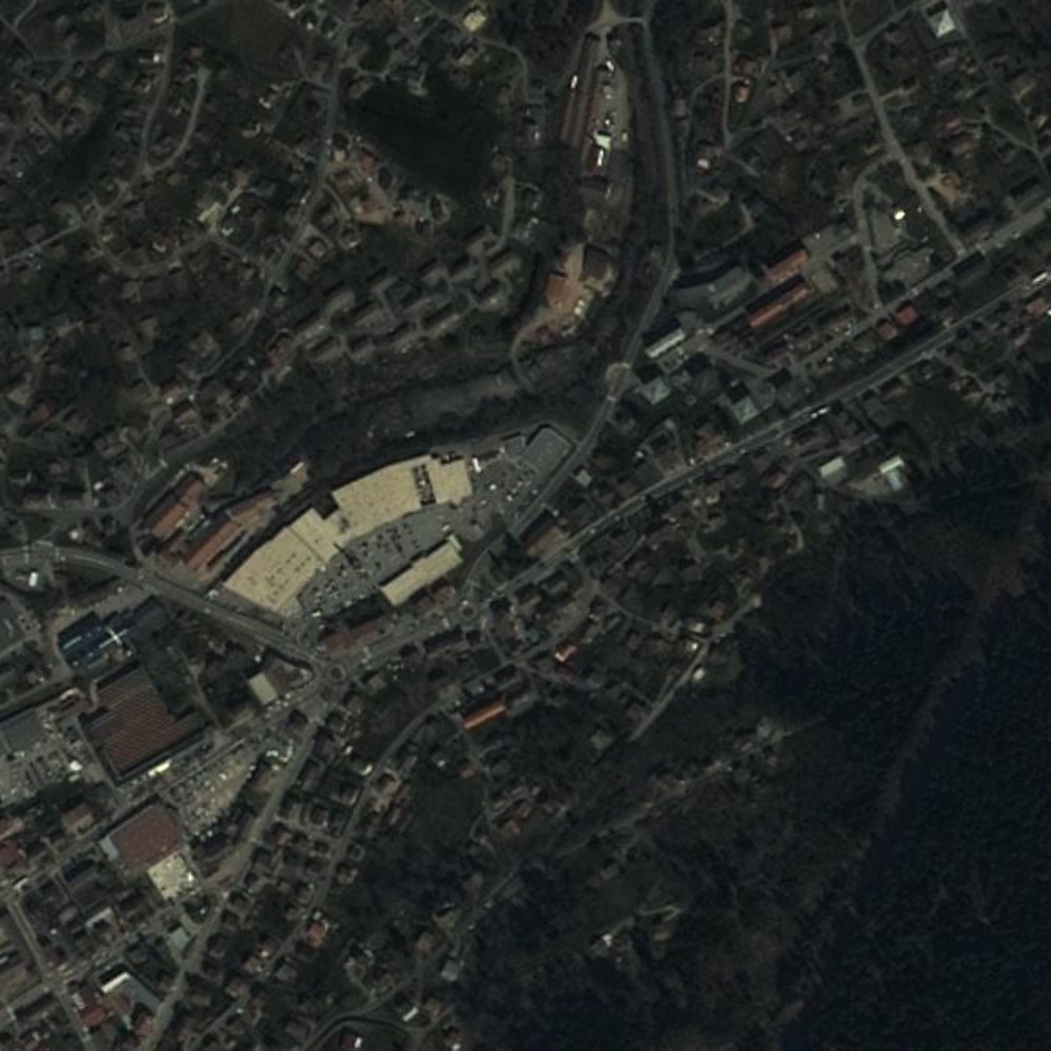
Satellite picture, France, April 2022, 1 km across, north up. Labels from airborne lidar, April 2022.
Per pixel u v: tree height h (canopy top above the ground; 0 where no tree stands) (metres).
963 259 0
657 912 0
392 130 0
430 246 0
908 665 31
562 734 9
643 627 0
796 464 0
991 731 29
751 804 12
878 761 26
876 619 28
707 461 0
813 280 0
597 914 0
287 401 9
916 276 0
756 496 0
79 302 11
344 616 7
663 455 0
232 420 0
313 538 0
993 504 33
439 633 0
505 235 0
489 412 14
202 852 0
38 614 9
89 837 0
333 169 0
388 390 8
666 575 0
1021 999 17
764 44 0
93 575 0
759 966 0
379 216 0
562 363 0
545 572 0
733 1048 0
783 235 16
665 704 0
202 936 0
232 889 0
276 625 0
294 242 0
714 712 15
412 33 0
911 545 7
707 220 0
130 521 0
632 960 0
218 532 0
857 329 0
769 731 0
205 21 0
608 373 0
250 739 0
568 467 0
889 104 0
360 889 0
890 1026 23
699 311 0
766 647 19
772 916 0
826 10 0
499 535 0
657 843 8
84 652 0
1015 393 0
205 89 0
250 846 0
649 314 0
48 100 13
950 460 0
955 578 6
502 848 0
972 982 7
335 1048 0
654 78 0
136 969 6
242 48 0
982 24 0
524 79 0
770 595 11
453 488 0
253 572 0
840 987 19
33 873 0
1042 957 13
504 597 0
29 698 0
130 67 9
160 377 0
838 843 10
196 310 0
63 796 0
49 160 0
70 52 0
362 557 0
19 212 0
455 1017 0
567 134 0
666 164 0
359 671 0
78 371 14
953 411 0
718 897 6
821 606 6
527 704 0
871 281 0
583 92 0
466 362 0
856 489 0
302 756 0
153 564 0
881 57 6
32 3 0
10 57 15
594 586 0
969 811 27
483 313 0
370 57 0
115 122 0
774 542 0
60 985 0
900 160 0
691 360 0
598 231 0
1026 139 0
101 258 0
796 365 0
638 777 0
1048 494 0
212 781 0
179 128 0
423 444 12
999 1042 29
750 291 0
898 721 27
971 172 0
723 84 0
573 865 0
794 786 8
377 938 0
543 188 9
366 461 7
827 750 11
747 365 0
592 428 0
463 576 0
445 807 0
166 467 0
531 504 0
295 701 0
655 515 17
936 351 0
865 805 17
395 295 12
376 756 0
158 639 8
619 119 0
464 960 0
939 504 14
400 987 0
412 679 0
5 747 0
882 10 0
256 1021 0
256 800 0
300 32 0
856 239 0
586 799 10
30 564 0
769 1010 0
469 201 0
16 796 0
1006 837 26
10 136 0
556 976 16
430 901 9
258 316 0
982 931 8
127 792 0
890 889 33
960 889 12
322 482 11
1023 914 24
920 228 0
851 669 31
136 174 0
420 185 0
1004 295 0
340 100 0
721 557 0
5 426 0
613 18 0
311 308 0
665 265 0
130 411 0
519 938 19
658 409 0
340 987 0
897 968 26
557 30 10
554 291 0
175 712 0
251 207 0
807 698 24
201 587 0
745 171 0
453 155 0
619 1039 31
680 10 9
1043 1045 24
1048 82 0
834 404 0
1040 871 22
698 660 0
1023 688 30
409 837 8
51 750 0
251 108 0
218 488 0
